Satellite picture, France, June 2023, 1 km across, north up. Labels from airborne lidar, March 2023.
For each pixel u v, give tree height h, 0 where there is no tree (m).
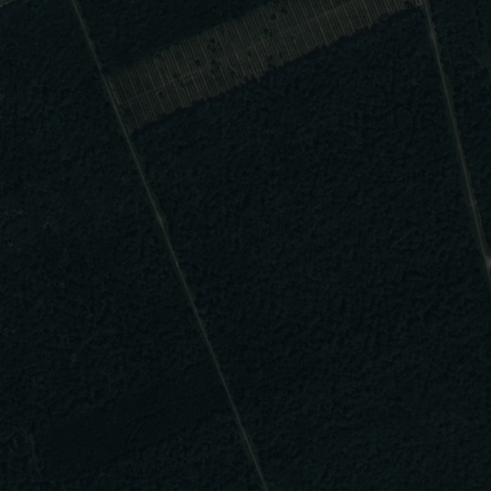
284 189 21
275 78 28
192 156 24
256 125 19
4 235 20
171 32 24
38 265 18
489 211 22
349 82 24
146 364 19
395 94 24
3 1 0
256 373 23
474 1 22
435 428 22
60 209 21
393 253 18
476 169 20
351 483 22
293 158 24
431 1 16
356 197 21
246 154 19
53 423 19
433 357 23
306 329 21
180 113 21
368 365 17
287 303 25
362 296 23
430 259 20
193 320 24
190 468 25
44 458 13
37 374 26
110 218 20
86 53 20
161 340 25
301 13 0
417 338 16
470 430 25
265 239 23
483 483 20
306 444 22
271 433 25
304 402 23
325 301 19
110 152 23
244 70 0
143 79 0
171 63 0
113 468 21
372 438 17
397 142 23
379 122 24
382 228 23
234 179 20
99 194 21
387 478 19
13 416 18
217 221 24
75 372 21
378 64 25
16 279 19
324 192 19
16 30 23
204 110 19
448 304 21
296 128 23
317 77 26
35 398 24
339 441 22
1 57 25
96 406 12
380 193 21
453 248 27
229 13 18
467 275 22
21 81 24
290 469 22
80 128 23
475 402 27
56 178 18
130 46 21
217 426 24
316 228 23
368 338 24
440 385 21
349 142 25
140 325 19
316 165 6
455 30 22
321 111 16
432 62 21
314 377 23
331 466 27
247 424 22
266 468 25
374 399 23
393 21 19
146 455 22
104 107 19
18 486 27
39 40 25
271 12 0
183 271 19
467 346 19
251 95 11
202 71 0
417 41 22
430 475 20
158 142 24
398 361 21
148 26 17
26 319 23
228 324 25
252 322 22
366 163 24
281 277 23
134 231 21
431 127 27
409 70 28
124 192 20
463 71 22
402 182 17
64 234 24
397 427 25
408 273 25
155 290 25
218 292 24
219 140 21
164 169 20
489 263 0
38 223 23
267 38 0
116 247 22
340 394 21
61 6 21
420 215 22
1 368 24
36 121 24
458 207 21
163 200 22
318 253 20
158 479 17
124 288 18
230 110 18
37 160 25
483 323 24
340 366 19
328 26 0
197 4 25
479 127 19
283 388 17
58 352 26
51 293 21
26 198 22
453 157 22
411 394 22
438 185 22
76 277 28
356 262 24
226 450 20
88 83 23
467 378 25
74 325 22
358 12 0
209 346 0
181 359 20
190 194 23
